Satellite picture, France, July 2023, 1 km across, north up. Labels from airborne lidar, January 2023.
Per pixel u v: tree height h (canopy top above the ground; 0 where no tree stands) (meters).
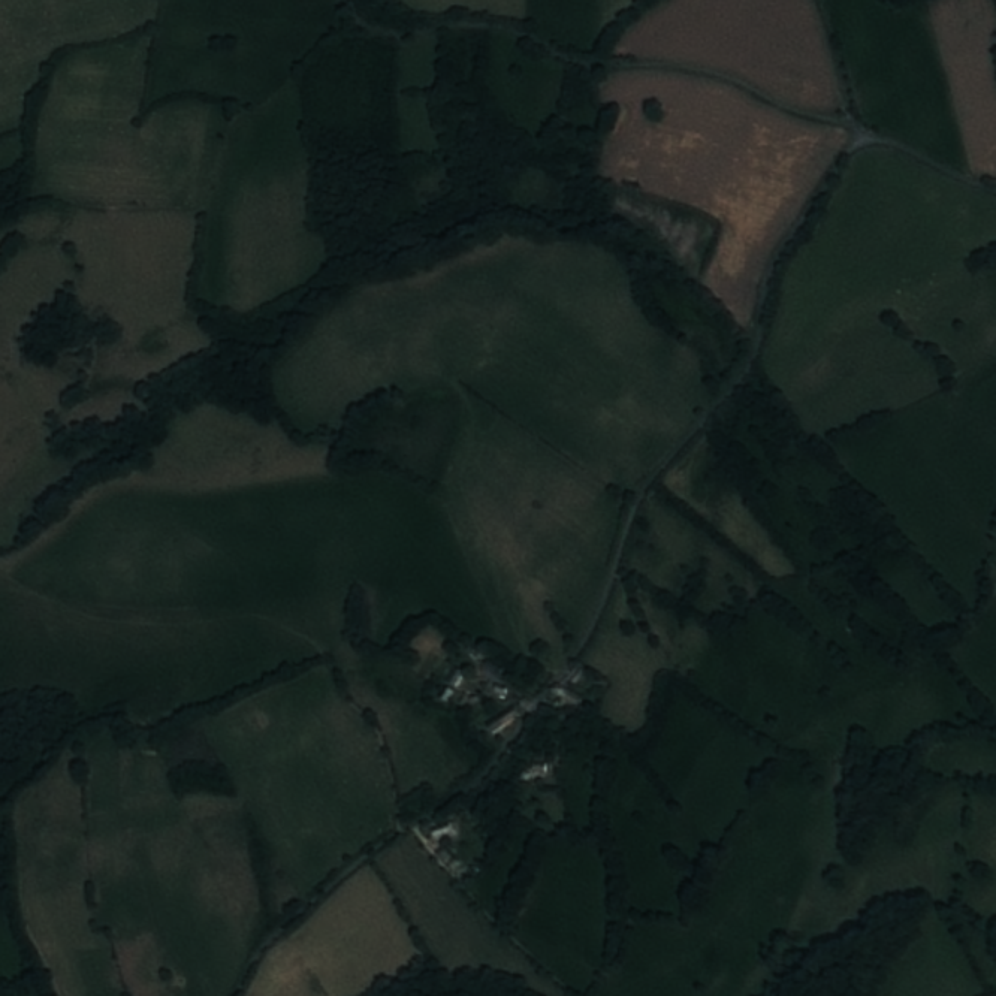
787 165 0
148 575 0
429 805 8
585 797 0
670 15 0
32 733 13
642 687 0
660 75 0
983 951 0
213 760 0
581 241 16
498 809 24
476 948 0
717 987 0
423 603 0
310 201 7
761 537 0
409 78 0
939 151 0
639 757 7
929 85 0
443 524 0
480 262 0
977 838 0
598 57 15
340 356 0
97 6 0
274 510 0
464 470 0
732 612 7
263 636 0
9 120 0
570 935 0
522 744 10
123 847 0
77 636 0
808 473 0
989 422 0
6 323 0
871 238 0
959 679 9
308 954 0
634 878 0
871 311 0
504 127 11
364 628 6
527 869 18
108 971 0
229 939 0
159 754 0
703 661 0
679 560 0
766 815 0
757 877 0
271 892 0
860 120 12
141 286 0
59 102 0
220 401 16
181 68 0
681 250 0
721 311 21
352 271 25
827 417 0
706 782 0
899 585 0
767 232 0
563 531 0
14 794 9
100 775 0
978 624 15
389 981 18
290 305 7
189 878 0
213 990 0
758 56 0
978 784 13
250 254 0
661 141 0
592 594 0
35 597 0
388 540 0
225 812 0
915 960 0
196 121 0
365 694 0
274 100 0
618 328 0
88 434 17
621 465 0
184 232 0
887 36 0
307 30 0
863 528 11
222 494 0
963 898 11
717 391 8
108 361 0
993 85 0
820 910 0
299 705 0
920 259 0
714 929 0
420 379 0
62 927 0
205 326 18
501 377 0
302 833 0
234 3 0
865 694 0
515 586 0
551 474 0
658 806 0
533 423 0
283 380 0
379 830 0
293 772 0
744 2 0
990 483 0
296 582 0
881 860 0
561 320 0
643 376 0
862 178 0
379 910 0
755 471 11
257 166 0
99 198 0
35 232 0
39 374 0
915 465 0
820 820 0
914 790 17
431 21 14
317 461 0
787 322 0
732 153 0
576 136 21
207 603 0
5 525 0
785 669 0
